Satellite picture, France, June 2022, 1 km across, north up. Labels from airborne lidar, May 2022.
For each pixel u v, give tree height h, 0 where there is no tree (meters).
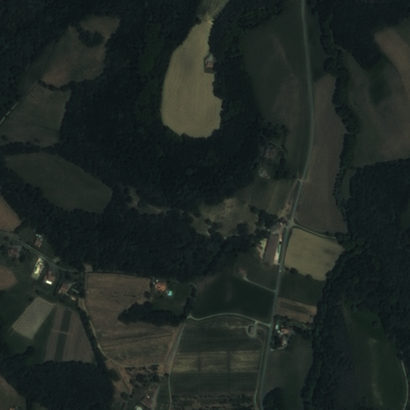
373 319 0
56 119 0
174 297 0
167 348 0
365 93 0
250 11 20
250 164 12
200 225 0
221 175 25
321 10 20
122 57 19
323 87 0
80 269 18
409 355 20
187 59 0
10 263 0
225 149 23
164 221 19
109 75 16
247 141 27
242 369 0
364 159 0
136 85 24
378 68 0
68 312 0
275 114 0
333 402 12
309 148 0
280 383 0
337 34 24
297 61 0
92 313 0
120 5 18
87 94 21
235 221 0
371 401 0
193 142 19
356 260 19
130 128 22
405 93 0
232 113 22
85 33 8
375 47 19
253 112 21
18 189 23
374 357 0
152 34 34
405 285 22
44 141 0
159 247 28
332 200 0
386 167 24
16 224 0
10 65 13
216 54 20
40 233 14
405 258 19
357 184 24
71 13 19
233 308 0
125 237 24
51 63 0
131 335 0
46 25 18
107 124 27
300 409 0
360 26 19
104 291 0
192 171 27
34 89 0
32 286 0
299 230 0
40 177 0
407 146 0
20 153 18
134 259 22
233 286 0
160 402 0
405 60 0
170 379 0
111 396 16
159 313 21
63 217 28
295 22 0
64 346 0
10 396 0
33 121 0
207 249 26
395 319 22
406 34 0
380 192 23
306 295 0
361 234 29
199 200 24
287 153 7
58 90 7
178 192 20
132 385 9
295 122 0
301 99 0
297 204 0
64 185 0
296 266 0
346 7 25
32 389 25
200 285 0
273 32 0
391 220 14
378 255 31
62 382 29
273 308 0
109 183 15
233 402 6
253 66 0
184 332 0
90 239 25
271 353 0
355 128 22
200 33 0
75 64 0
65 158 15
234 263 0
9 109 13
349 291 20
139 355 0
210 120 0
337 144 0
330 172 0
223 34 31
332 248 0
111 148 26
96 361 9
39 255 0
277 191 0
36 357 0
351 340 0
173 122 0
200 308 0
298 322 0
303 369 0
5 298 0
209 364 0
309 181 0
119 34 20
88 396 24
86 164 15
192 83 0
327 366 21
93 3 23
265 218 18
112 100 28
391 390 0
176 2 25
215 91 18
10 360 24
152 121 26
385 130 0
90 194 0
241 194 0
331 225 0
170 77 0
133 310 21
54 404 20
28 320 0
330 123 0
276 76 0
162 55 9
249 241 24
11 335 0
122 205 22
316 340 29
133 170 25
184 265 19
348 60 0
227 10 18
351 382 0
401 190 28
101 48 0
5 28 13
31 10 29
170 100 0
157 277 15
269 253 0
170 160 21
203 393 0
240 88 21
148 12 18
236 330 0
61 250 12
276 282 0
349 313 0
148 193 19
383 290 24
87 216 22
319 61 0
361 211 28
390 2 18
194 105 0
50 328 0
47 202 20
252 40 0
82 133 19
